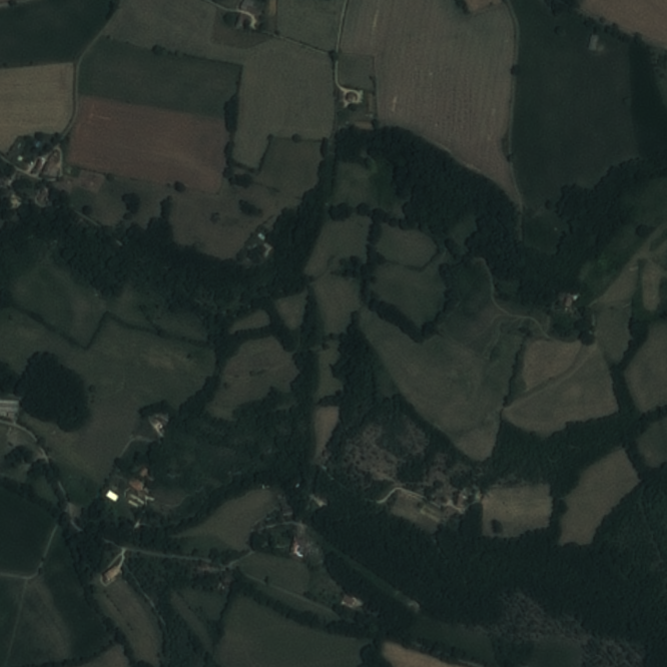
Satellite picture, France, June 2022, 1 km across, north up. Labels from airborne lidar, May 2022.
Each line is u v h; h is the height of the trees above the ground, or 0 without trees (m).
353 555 16
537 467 7
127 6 0
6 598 0
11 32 0
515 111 0
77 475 0
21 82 0
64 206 12
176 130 0
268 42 0
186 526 12
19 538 0
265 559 0
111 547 11
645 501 7
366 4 0
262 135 0
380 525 10
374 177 0
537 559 16
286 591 0
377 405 9
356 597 13
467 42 0
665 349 0
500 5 0
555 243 0
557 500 12
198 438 9
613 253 0
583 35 0
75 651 0
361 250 0
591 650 14
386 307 20
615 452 0
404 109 0
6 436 0
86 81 0
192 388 0
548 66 0
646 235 11
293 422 13
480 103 0
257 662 0
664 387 0
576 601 14
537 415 0
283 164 0
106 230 14
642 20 0
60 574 0
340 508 9
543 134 0
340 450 8
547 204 11
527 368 0
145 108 0
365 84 0
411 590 14
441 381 0
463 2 8
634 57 0
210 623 8
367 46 0
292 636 0
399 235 0
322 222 17
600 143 0
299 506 15
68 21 0
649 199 0
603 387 0
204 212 0
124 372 0
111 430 0
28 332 0
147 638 0
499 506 0
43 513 0
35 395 12
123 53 0
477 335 0
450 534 18
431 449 11
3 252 8
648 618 12
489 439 0
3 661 0
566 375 0
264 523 10
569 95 0
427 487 7
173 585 9
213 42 0
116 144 0
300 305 0
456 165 10
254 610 0
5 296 15
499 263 12
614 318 0
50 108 0
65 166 0
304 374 14
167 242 13
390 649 0
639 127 0
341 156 14
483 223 21
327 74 0
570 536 0
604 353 0
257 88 0
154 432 0
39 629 0
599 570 12
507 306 0
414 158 7
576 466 12
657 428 0
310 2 0
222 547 0
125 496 0
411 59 0
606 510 0
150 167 0
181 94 0
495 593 21
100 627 0
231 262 13
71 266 12
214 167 0
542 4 0
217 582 14
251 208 10
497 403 0
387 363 0
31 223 17
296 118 0
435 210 13
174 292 10
